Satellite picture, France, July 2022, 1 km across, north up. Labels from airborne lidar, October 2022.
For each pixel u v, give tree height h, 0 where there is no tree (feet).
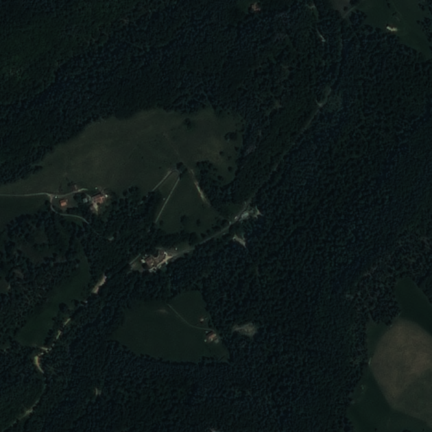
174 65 98
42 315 0
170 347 0
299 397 82
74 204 0
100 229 57
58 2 60
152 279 85
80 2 38
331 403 73
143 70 112
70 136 57
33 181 0
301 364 76
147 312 0
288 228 76
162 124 0
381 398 0
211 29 88
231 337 21
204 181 55
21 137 108
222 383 91
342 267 104
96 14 57
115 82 116
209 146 0
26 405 81
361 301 56
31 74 103
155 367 86
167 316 0
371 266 52
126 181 0
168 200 0
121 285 69
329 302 56
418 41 0
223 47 103
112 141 0
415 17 0
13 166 75
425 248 75
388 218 84
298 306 62
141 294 92
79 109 74
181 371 89
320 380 73
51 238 54
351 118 80
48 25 63
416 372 0
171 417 86
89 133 0
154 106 59
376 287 72
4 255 77
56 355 90
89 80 91
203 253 77
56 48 56
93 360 96
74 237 51
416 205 41
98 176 0
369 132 25
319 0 94
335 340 73
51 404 105
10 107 94
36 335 0
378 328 0
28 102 101
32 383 58
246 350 68
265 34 100
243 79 89
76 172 0
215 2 97
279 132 48
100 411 56
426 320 0
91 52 99
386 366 0
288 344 70
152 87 105
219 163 0
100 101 73
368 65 22
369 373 0
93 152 0
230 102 59
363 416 0
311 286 82
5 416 65
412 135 88
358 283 21
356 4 65
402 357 0
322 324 80
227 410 98
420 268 67
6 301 67
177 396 49
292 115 64
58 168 0
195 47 101
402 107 22
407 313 0
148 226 64
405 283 0
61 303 0
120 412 75
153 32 110
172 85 119
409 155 110
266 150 90
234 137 60
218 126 0
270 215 72
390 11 0
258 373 94
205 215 0
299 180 54
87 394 96
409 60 67
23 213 0
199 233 0
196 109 60
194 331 0
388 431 0
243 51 110
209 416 96
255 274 24
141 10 105
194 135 0
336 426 65
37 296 45
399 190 110
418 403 0
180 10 89
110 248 60
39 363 0
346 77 102
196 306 0
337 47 87
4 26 59
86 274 0
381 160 40
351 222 87
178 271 94
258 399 107
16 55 72
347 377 67
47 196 0
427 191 50
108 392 57
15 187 0
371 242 94
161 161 0
